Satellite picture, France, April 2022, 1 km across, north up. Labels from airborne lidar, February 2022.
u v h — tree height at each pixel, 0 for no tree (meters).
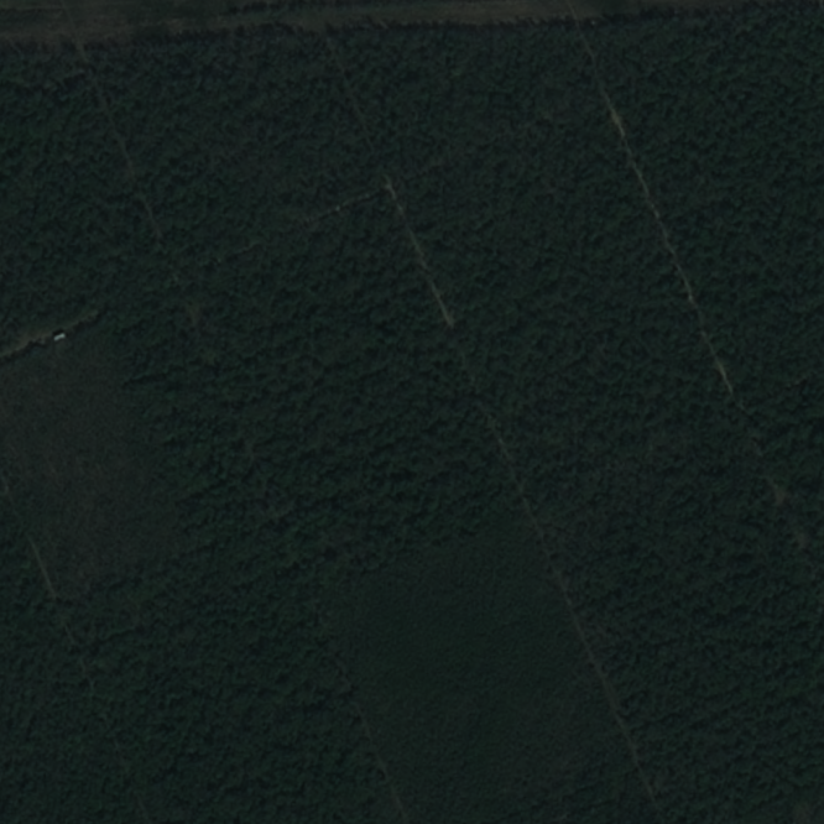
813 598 19
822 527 19
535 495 11
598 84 10
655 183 11
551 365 19
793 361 19
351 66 15
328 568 22
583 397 15
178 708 20
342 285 22
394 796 16
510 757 9
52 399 11
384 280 13
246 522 17
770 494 20
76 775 19
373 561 18
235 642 21
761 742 9
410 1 17
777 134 21
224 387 18
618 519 18
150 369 21
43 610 16
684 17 17
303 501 17
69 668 20
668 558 21
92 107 16
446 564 11
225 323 18
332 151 19
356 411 17
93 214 20
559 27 16
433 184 9
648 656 15
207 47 19
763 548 21
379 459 15
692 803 18
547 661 11
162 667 18
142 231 17
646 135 20
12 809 16
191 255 19
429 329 20
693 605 15
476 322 19
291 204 20
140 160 18
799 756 22
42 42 0
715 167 18
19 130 20
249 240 19
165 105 16
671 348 21
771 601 18
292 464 16
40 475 10
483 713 13
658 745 10
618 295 21
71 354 11
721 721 17
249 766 20
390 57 22
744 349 23
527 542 10
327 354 22
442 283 20
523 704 10
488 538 13
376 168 19
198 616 19
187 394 20
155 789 21
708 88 18
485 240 19
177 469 16
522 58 17
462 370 12
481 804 11
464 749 8
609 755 13
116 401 11
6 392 12
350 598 10
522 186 15
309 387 13
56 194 18
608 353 20
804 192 19
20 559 15
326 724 22
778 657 17
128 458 11
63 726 16
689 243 20
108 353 12
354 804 18
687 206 19
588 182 22
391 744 10
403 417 13
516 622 10
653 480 15
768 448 16
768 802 16
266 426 19
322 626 23
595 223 12
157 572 16
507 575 13
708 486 21
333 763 20
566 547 14
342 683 13
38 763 18
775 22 18
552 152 17
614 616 17
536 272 14
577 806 8
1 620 19
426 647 15
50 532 11
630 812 9
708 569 20
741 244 21
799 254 13
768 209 14
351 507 9
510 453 20
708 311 24
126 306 16
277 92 16
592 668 9
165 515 12
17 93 20
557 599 7
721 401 19
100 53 15
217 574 19
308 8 9
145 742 20
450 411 20
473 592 10
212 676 19
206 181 19
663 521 20
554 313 21
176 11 0
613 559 19
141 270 21
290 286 19
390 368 19
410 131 19
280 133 15
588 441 21
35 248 24
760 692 19
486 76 22
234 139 12
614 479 16
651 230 21
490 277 17
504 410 21
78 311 9
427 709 10
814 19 8
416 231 22
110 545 9
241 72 19
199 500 16
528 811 9
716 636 18
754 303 15
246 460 18
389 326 10
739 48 18
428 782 8
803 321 19
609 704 9
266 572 20
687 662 19
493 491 12
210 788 23
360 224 18
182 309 20
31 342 0
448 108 25
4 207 20
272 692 19
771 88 22
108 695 17
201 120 18
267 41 18
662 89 15
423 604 14
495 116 22
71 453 10
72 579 11
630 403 21
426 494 16
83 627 16
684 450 19
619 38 19
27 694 16
